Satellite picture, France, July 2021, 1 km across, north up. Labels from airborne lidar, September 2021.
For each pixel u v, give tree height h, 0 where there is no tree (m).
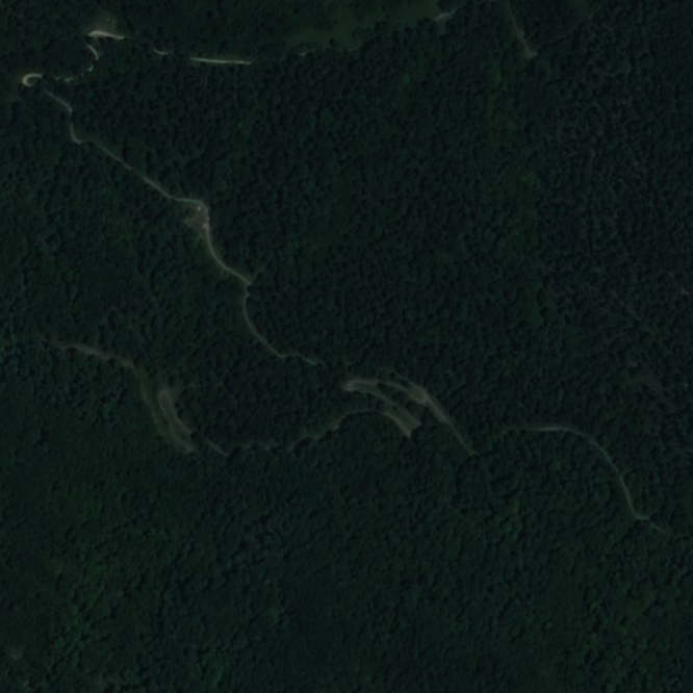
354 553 33
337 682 32
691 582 23
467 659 35
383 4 7
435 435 27
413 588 41
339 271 21
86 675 31
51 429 34
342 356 23
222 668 27
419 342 23
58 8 24
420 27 12
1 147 21
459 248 16
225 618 36
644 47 20
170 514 32
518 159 11
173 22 10
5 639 24
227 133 20
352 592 26
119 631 31
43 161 14
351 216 10
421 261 26
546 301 26
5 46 8
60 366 30
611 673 33
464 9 10
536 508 23
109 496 36
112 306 25
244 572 29
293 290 9
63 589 32
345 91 9
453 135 20
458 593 28
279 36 9
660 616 30
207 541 34
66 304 20
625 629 29
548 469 14
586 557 22
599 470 28
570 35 10
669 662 32
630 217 27
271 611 35
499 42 7
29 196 24
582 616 32
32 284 24
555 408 17
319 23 8
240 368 31
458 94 12
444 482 24
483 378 7
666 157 24
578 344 29
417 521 23
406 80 21
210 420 18
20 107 25
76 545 34
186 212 7
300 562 36
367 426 26
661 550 24
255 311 12
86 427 32
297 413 16
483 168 7
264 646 35
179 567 29
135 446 25
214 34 18
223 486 24
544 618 28
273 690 30
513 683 31
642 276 23
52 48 25
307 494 23
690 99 21
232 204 25
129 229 7
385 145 27
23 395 29
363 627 21
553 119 25
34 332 24
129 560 28
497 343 22
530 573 23
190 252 22
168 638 31
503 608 34
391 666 25
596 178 9
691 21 13
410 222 25
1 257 19
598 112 26
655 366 8
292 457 32
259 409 31
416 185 10
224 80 24
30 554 26
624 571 27
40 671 16
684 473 20
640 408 23
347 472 21
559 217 29
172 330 25
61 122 14
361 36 9
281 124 6
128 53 8
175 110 21
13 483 31
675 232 22
